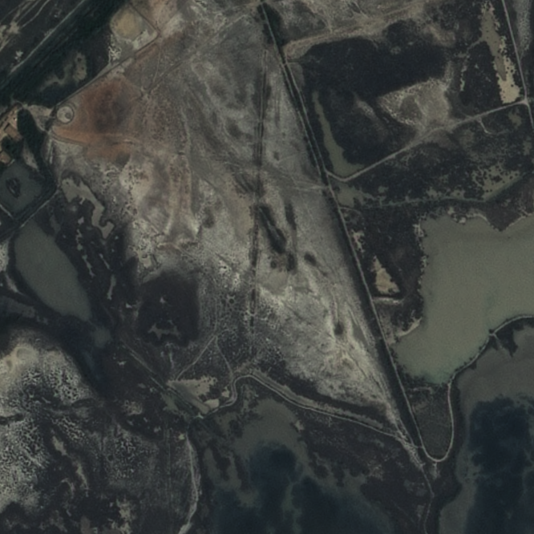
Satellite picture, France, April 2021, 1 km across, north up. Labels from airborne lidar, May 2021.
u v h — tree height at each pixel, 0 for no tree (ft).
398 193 0
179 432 0
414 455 0
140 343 0
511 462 0
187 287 0
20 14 0
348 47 0
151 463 0
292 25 0
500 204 0
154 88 0
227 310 0
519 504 0
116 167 0
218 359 0
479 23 0
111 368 0
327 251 0
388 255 0
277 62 0
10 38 0
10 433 0
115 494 0
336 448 0
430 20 0
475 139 0
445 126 0
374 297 0
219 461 0
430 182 0
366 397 0
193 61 0
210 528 0
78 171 0
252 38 0
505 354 0
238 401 0
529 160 0
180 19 0
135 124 0
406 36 0
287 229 0
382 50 0
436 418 0
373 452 0
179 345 0
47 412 0
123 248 0
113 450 0
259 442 0
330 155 0
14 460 0
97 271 0
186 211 0
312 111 0
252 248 0
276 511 0
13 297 0
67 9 0
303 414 0
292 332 0
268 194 0
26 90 22
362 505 0
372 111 0
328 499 0
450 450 0
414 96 0
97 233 0
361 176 0
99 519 0
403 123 0
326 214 0
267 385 0
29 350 0
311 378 0
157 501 0
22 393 0
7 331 0
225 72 0
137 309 0
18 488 0
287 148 0
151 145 0
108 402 0
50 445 0
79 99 0
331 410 0
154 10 0
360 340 0
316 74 0
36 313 0
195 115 0
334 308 0
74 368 0
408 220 0
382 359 0
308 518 0
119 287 0
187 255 0
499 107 0
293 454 0
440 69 0
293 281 0
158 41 0
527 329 0
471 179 0
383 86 0
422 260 0
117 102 0
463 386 0
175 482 0
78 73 0
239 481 0
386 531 0
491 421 0
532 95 0
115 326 0
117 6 24
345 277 0
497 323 0
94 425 0
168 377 0
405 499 0
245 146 0
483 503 0
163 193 0
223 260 0
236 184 0
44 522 0
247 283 0
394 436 0
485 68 0
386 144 0
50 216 0
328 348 0
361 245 0
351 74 0
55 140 0
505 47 0
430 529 0
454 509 0
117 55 0
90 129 0
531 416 0
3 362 0
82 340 0
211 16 0
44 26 0
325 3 0
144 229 0
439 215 0
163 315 0
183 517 0
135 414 0
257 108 0
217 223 0
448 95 0
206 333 0
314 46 0
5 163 20
